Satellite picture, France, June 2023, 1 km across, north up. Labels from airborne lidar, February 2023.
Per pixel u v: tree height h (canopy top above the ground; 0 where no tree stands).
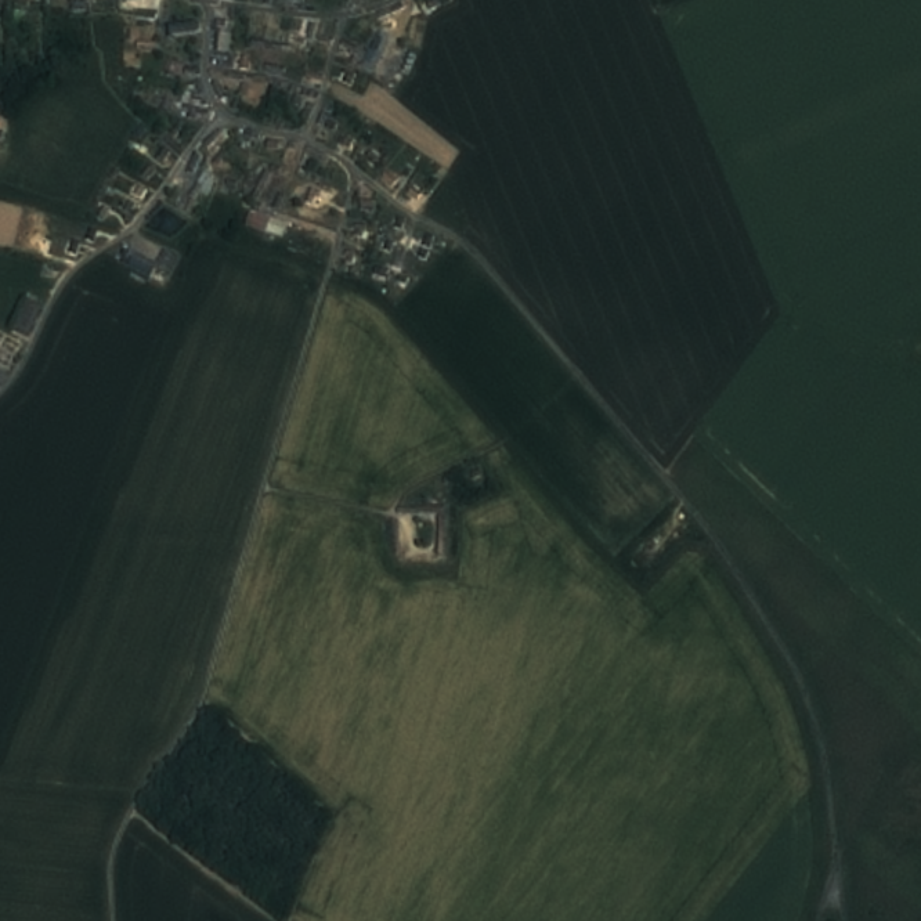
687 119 0
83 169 0
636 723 0
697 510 0
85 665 0
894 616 0
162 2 0
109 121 0
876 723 0
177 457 0
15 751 0
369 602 0
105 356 0
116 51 0
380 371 0
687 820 0
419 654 0
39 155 0
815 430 0
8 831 0
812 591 0
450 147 0
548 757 0
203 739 12
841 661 0
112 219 0
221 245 0
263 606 0
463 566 0
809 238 0
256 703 0
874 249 0
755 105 0
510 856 0
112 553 0
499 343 0
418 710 0
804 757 0
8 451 0
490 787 0
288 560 0
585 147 0
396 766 0
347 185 0
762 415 0
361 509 0
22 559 0
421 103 0
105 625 0
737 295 0
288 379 0
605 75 0
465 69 0
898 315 0
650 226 0
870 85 0
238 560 0
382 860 0
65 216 0
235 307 0
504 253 0
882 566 0
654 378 0
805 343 0
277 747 0
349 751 0
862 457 0
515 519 0
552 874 0
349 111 8
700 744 0
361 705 0
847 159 0
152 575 0
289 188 0
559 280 0
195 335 0
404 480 0
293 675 0
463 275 0
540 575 0
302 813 20
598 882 0
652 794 0
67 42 13
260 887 15
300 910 0
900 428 0
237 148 0
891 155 0
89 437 0
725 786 0
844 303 0
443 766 0
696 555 0
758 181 0
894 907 0
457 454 0
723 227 0
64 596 0
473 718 0
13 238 0
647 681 0
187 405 0
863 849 0
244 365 0
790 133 0
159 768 15
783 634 0
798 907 0
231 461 0
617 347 0
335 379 0
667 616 0
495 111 0
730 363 0
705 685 0
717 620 0
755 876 0
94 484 0
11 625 0
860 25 0
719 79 0
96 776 0
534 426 0
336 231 0
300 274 0
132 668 0
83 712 0
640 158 0
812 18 0
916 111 0
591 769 0
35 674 0
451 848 0
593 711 0
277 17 0
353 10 0
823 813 0
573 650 0
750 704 0
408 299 0
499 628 0
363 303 0
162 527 0
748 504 0
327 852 0
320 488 0
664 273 0
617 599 0
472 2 0
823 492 0
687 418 0
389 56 0
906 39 0
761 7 0
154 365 0
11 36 11
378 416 0
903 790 0
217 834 18
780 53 0
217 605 0
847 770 0
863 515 0
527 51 0
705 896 0
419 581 0
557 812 0
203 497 0
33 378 0
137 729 0
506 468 0
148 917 0
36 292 0
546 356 0
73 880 0
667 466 0
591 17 0
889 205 0
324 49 0
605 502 0
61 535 0
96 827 0
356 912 0
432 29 0
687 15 0
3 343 0
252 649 0
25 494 0
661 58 0
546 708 0
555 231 0
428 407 0
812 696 0
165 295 0
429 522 0
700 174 0
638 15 0
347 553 0
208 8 0
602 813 0
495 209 0
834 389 0
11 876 0
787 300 0
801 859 0
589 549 0
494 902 0
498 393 0
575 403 0
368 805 0
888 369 0
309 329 0
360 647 0
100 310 0
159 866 0
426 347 0
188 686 0
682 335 0
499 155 0
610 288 0
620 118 0
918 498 0
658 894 0
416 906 0
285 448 0
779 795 0
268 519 0
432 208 0
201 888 0
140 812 9
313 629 0
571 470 0
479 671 0
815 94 0
